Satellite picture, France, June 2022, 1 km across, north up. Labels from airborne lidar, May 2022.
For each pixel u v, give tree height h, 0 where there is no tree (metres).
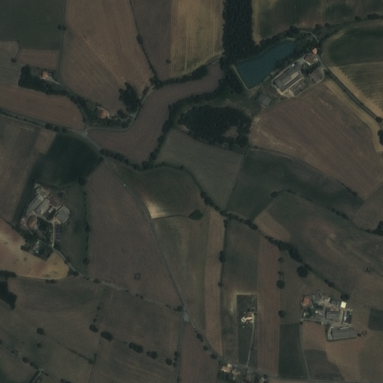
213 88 0
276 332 0
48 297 0
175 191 0
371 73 0
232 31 13
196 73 13
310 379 0
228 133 0
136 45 0
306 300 0
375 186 0
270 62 0
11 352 7
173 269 0
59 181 0
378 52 0
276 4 0
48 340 0
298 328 0
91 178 0
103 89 0
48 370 0
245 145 10
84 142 0
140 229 0
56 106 0
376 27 0
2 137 0
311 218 0
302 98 0
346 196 0
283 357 0
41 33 0
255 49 17
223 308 0
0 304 0
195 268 0
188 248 0
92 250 0
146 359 0
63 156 0
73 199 0
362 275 0
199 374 0
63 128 14
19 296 0
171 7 0
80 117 0
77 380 0
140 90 0
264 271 0
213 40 0
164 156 0
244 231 0
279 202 0
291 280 0
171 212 0
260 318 0
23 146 0
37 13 0
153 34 0
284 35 10
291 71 0
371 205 0
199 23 0
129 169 0
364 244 0
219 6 0
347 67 0
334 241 0
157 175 0
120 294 0
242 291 0
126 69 0
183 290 0
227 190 0
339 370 0
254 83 0
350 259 0
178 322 0
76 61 0
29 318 0
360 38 0
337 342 0
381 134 16
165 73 0
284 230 0
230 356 0
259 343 0
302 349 0
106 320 0
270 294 0
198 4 0
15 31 0
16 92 0
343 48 0
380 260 0
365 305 0
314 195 0
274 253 0
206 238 0
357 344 0
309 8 0
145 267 0
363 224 0
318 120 0
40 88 12
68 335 0
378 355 0
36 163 0
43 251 6
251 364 0
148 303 0
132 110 10
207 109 11
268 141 0
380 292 0
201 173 0
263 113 0
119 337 0
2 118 0
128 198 0
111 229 0
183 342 0
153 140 0
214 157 0
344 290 0
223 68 13
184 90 0
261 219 0
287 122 0
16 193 0
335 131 0
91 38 0
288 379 0
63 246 0
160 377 0
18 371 0
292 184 0
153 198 0
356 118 0
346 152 0
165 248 0
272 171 0
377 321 0
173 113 22
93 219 0
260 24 0
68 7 0
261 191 0
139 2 0
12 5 0
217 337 0
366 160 0
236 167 0
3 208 0
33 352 0
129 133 0
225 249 0
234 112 12
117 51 0
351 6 0
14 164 0
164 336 0
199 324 0
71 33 0
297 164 0
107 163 0
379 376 0
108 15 0
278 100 0
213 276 0
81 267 0
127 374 0
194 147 0
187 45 0
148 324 0
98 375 0
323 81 0
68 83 0
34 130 0
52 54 0
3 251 0
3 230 0
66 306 0
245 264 0
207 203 14
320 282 0
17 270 0
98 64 0
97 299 0
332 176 0
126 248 0
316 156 0
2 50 0
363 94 0
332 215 0
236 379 0
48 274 0
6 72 0
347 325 0
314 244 0
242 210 0
